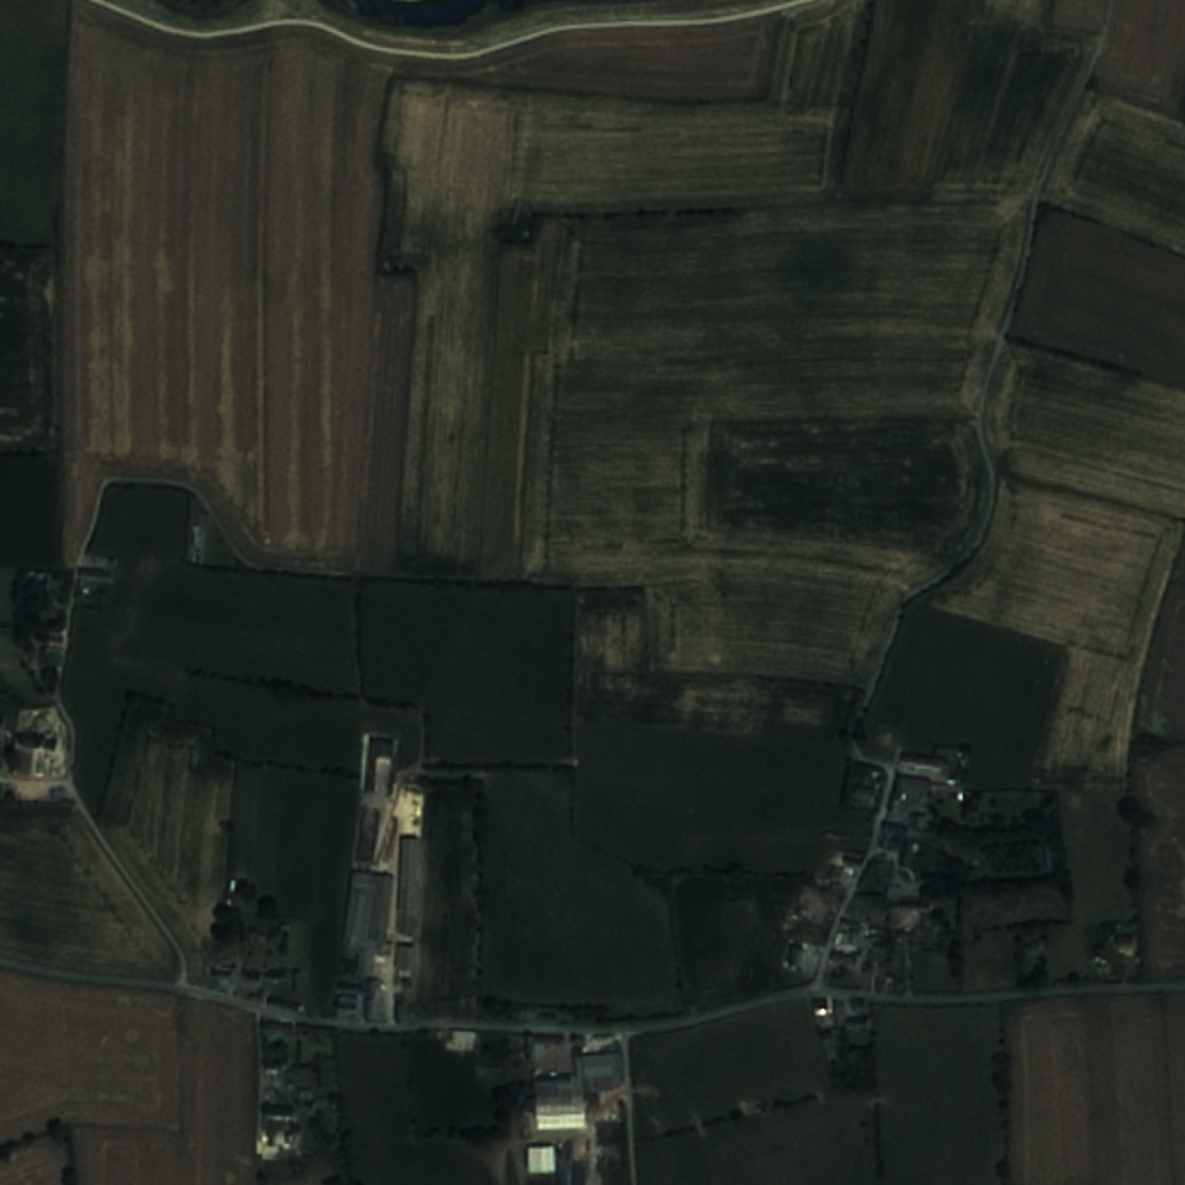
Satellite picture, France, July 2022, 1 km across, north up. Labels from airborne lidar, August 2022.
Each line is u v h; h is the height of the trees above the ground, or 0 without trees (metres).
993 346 0
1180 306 0
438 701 0
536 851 0
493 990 0
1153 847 0
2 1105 0
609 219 7
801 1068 0
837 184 0
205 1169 0
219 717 0
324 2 0
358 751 0
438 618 0
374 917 0
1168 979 0
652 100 0
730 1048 0
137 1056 0
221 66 0
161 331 0
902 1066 0
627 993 0
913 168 0
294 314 0
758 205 0
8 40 0
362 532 0
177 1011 0
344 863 0
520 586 6
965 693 0
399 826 0
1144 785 0
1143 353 0
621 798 0
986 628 0
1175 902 0
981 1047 0
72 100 0
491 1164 0
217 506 0
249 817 0
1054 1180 0
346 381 0
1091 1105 0
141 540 0
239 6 0
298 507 0
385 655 0
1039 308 0
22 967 0
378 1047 0
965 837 8
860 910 0
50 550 0
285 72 0
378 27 0
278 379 0
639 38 0
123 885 0
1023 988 12
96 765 0
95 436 0
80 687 0
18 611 7
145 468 0
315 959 0
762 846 0
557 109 0
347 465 0
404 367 0
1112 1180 0
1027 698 0
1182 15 0
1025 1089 0
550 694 0
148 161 0
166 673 0
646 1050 0
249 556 0
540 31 0
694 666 0
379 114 0
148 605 0
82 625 0
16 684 0
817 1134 0
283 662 0
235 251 0
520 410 0
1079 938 0
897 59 0
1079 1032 0
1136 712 0
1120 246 0
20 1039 0
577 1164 0
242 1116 0
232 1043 0
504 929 0
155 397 0
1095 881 0
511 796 0
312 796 0
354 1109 0
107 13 0
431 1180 0
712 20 0
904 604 6
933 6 0
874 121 0
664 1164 0
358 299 0
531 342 0
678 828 0
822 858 0
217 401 0
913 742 0
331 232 0
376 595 0
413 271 7
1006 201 0
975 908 0
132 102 0
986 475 0
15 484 0
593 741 0
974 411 0
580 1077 0
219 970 0
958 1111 0
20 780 0
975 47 0
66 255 0
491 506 0
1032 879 7
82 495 0
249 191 0
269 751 0
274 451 0
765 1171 0
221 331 0
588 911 0
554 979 0
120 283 0
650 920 0
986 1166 0
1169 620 0
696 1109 0
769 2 0
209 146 0
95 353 0
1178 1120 0
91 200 0
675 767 0
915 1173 0
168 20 0
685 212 8
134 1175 0
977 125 0
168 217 0
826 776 0
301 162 0
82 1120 0
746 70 0
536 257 0
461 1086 0
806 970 0
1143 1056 0
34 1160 0
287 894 0
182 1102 0
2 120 0
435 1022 0
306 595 0
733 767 0
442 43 0
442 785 7
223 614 0
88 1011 0
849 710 5
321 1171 0
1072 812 0
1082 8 0
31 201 0
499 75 0
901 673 0
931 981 0
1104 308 0
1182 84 0
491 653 0
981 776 0
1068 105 0
